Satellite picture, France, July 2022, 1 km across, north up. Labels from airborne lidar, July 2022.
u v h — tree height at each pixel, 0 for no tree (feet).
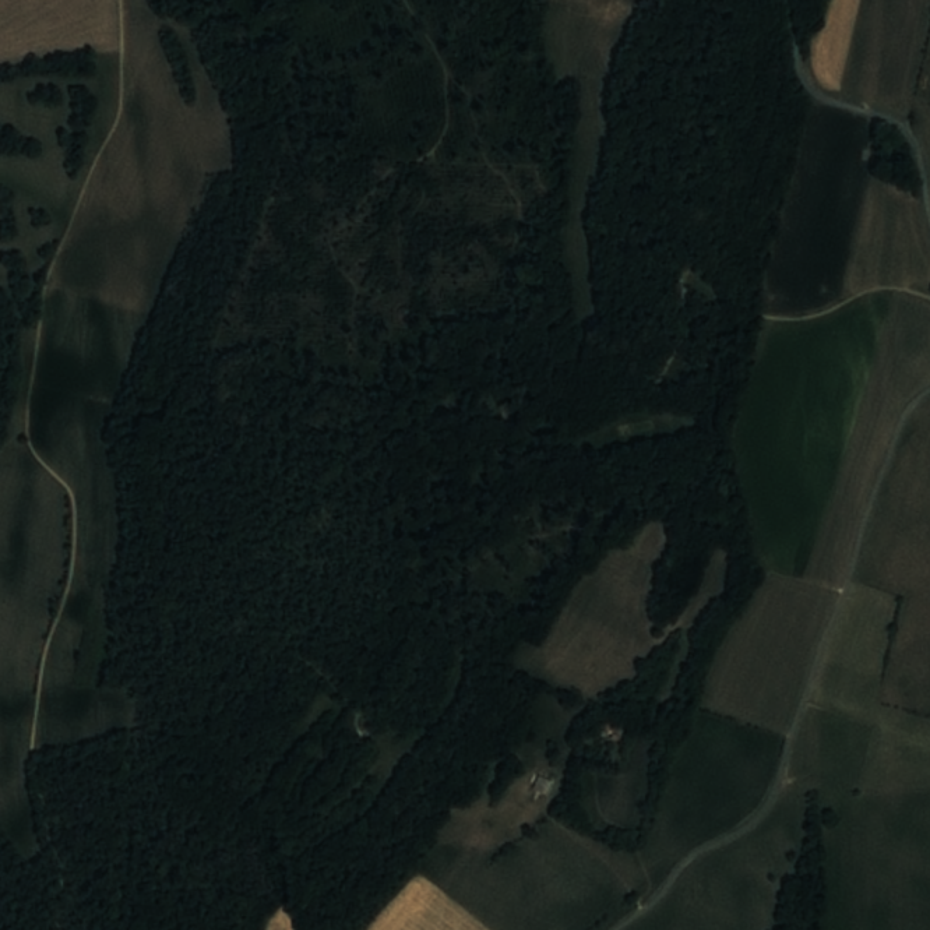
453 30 67
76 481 0
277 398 57
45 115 0
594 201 44
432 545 90
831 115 0
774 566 0
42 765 49
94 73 51
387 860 36
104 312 0
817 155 0
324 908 48
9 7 0
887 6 0
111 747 58
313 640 43
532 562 0
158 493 64
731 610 62
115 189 0
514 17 23
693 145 59
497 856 24
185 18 55
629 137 57
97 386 0
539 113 20
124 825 44
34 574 0
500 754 51
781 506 0
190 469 52
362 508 50
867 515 0
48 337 0
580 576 51
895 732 0
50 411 0
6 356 48
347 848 68
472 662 50
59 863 42
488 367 66
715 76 65
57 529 0
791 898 47
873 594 0
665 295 60
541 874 0
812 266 0
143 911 72
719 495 84
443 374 75
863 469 0
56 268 0
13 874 51
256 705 60
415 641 58
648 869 0
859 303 0
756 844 0
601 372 90
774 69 48
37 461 0
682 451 73
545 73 53
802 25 62
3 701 0
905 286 0
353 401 64
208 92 0
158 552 59
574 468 84
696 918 0
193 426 54
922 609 0
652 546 0
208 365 66
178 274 40
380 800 43
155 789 54
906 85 0
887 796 0
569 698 47
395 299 0
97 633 0
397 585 60
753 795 0
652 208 69
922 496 0
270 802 60
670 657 32
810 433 0
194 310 44
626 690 50
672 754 41
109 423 47
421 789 46
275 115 21
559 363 75
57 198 0
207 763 65
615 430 0
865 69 0
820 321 0
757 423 0
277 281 24
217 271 48
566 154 56
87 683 0
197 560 59
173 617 58
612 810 0
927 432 0
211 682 58
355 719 25
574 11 0
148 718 37
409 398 95
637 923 0
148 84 0
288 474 50
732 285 66
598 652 0
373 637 60
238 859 79
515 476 86
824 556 0
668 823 0
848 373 0
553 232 73
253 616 44
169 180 0
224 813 62
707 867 0
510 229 23
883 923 0
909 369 0
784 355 0
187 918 66
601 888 0
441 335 68
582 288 0
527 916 0
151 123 0
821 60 0
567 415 67
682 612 57
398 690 59
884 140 50
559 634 0
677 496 61
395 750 0
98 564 0
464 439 89
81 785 47
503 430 80
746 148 56
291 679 59
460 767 65
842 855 0
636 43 53
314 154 57
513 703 91
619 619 0
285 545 35
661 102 84
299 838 52
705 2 56
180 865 56
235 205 43
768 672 0
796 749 0
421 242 30
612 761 23
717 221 66
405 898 0
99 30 0
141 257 0
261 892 55
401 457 87
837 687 0
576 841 0
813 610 0
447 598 63
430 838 56
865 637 0
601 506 68
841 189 0
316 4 0
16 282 40
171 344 52
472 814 0
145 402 77
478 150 66
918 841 0
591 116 0
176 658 50
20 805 0
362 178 33
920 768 0
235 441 57
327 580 46
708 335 66
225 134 0
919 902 0
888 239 0
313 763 27
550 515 81
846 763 0
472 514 82
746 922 0
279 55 74
